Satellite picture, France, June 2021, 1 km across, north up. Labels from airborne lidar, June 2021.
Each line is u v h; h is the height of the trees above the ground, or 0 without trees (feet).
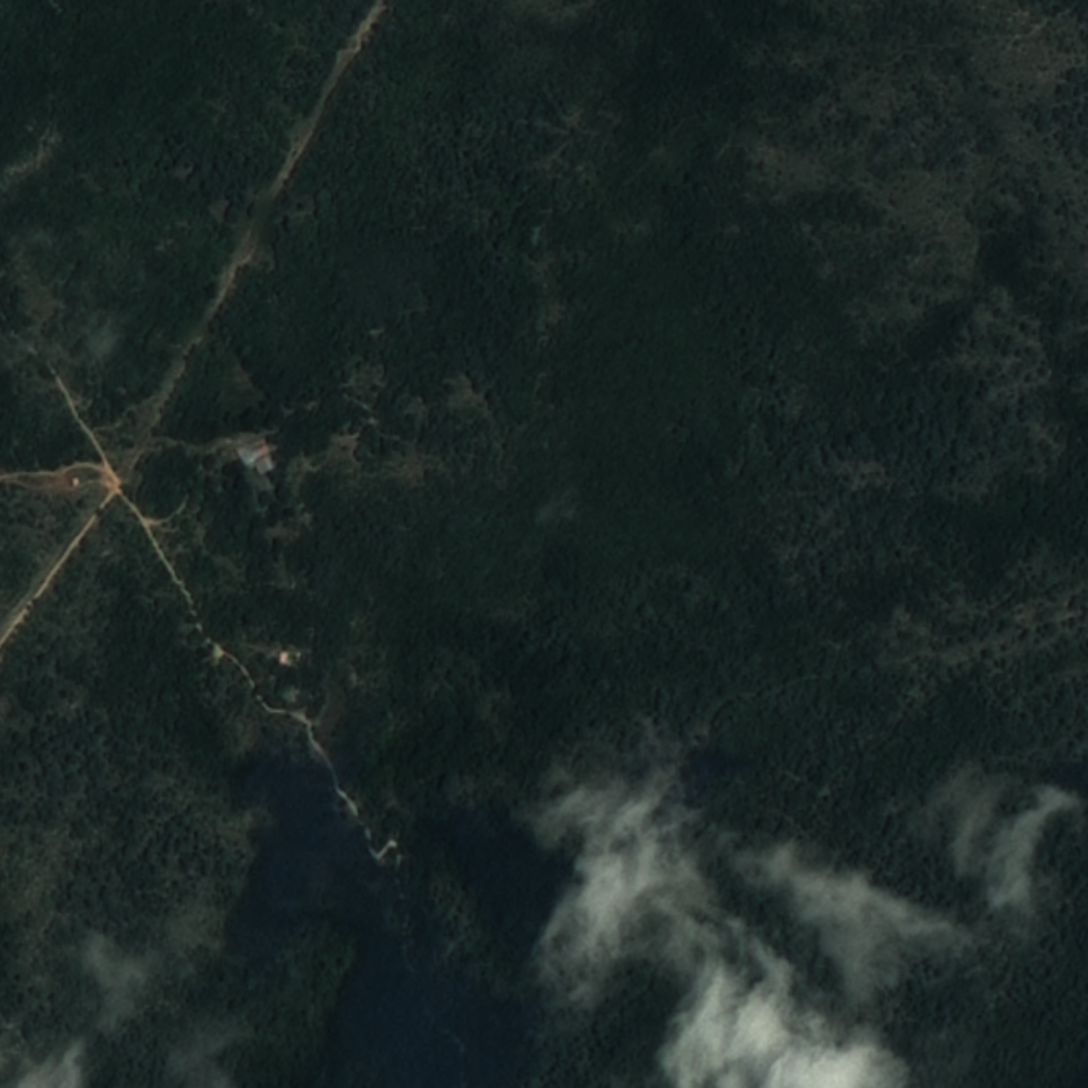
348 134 25
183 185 34
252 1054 34
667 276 33
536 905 25
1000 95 30
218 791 22
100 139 35
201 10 26
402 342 37
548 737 27
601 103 23
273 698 22
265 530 23
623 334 29
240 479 24
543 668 60
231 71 19
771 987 52
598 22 21
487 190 46
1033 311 27
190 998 31
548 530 20
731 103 26
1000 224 22
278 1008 28
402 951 24
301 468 0
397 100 19
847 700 21
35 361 25
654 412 20
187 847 41
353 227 28
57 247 20
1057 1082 40
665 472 31
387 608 22
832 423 35
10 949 31
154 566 20
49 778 44
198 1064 49
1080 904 29
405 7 30
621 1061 41
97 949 33
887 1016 55
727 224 19
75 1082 19
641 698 28
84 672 21
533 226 21
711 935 40
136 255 22
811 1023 27
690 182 42
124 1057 40
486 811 24
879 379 24
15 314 21
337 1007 30
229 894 42
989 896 48
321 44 27
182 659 23
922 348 26
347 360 37
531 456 20
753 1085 37
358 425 24
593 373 18
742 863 34
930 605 24
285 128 17
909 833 51
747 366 30
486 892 35
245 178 38
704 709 31
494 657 37
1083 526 42
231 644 21
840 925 23
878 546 24
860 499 58
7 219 22
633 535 24
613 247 37
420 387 23
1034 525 53
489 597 22
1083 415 33
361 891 29
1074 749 52
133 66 34
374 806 25
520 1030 38
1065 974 27
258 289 21
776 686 19
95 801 26
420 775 47
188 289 27
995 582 31
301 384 30
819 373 18
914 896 51
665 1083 26
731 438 25
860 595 32
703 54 24
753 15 21
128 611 18
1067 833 41
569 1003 43
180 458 21
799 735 22
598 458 28
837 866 22
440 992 39
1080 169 24
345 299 36
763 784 26
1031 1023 20
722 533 23
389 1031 42
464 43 29
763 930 46
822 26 29
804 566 35
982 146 19
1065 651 34
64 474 0
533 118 38
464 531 21
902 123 42
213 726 27
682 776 31
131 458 0
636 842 52
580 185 25
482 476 20
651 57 24
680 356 31
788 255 26
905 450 36
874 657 25
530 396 22
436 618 33
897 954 29
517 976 35
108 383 29
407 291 22
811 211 18
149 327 23
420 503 19
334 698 0
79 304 25
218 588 21
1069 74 24
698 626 30
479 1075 44
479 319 23
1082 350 21
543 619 34
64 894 21
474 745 33
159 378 31
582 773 19
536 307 20
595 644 28
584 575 38
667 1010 28
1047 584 24
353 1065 33
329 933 21
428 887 28
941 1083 33
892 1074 30
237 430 25
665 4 22
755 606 30
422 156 21
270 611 24
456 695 25
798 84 24
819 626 24
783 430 35
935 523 41
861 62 19
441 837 32
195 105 22
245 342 29
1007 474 24
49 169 21
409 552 30
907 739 30
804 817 34
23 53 23
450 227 25
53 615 20
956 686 35
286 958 22
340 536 24
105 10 24
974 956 21
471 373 45
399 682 22
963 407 39
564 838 55
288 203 23
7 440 29
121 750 29
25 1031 31
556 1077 46
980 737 39
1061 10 38
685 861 26
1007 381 43
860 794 24
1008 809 51
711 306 27
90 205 25
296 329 22
